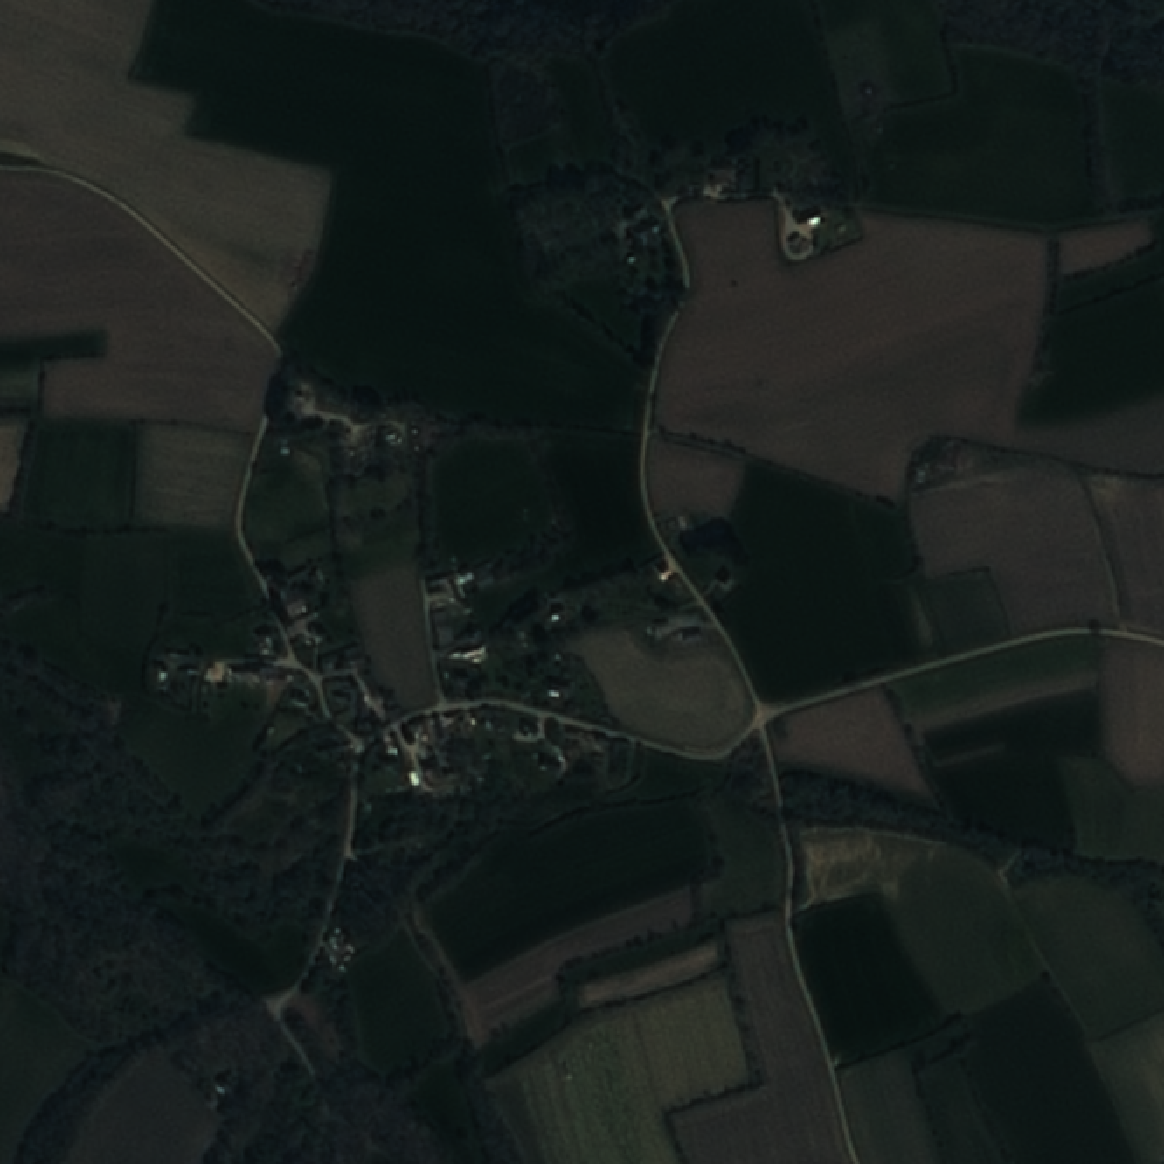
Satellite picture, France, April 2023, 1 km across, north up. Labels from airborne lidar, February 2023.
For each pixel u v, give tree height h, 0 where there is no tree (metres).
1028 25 19
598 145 0
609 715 5
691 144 0
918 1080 6
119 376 0
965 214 0
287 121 0
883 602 0
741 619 0
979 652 0
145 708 0
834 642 0
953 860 0
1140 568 0
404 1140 21
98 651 0
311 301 0
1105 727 0
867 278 0
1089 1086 0
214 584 0
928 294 0
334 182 0
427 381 0
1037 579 0
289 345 0
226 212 0
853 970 0
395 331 0
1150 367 0
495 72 6
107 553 0
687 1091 0
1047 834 0
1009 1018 0
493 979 0
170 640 0
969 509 0
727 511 0
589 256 19
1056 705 0
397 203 0
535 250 18
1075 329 0
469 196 0
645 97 0
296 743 7
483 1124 19
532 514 0
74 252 0
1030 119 0
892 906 0
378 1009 0
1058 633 0
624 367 0
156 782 9
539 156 0
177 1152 0
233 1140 20
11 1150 0
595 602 11
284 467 0
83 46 0
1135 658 0
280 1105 18
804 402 0
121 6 0
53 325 0
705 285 0
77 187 0
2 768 19
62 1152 15
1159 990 0
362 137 0
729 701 0
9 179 0
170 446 0
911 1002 0
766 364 0
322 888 17
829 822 7
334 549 7
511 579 7
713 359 0
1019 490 0
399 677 0
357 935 20
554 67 0
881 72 0
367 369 0
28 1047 0
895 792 0
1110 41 15
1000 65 0
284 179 0
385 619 0
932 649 0
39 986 12
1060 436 0
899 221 0
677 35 0
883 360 0
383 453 11
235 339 0
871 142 0
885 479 0
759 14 0
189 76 0
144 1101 0
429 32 11
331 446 6
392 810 18
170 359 0
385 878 8
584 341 0
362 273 0
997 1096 0
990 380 0
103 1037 13
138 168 0
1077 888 0
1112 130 0
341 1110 19
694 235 0
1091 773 0
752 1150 0
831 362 0
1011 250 0
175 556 0
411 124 0
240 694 0
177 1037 23
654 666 0
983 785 0
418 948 10
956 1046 8
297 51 0
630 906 0
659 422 0
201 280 0
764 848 0
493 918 0
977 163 0
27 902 18
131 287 0
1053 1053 0
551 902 0
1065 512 0
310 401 0
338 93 0
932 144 0
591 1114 0
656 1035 0
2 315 0
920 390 0
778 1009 0
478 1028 0
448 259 0
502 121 7
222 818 12
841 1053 0
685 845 0
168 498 0
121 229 0
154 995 11
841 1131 0
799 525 0
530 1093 0
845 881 0
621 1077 0
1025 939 0
